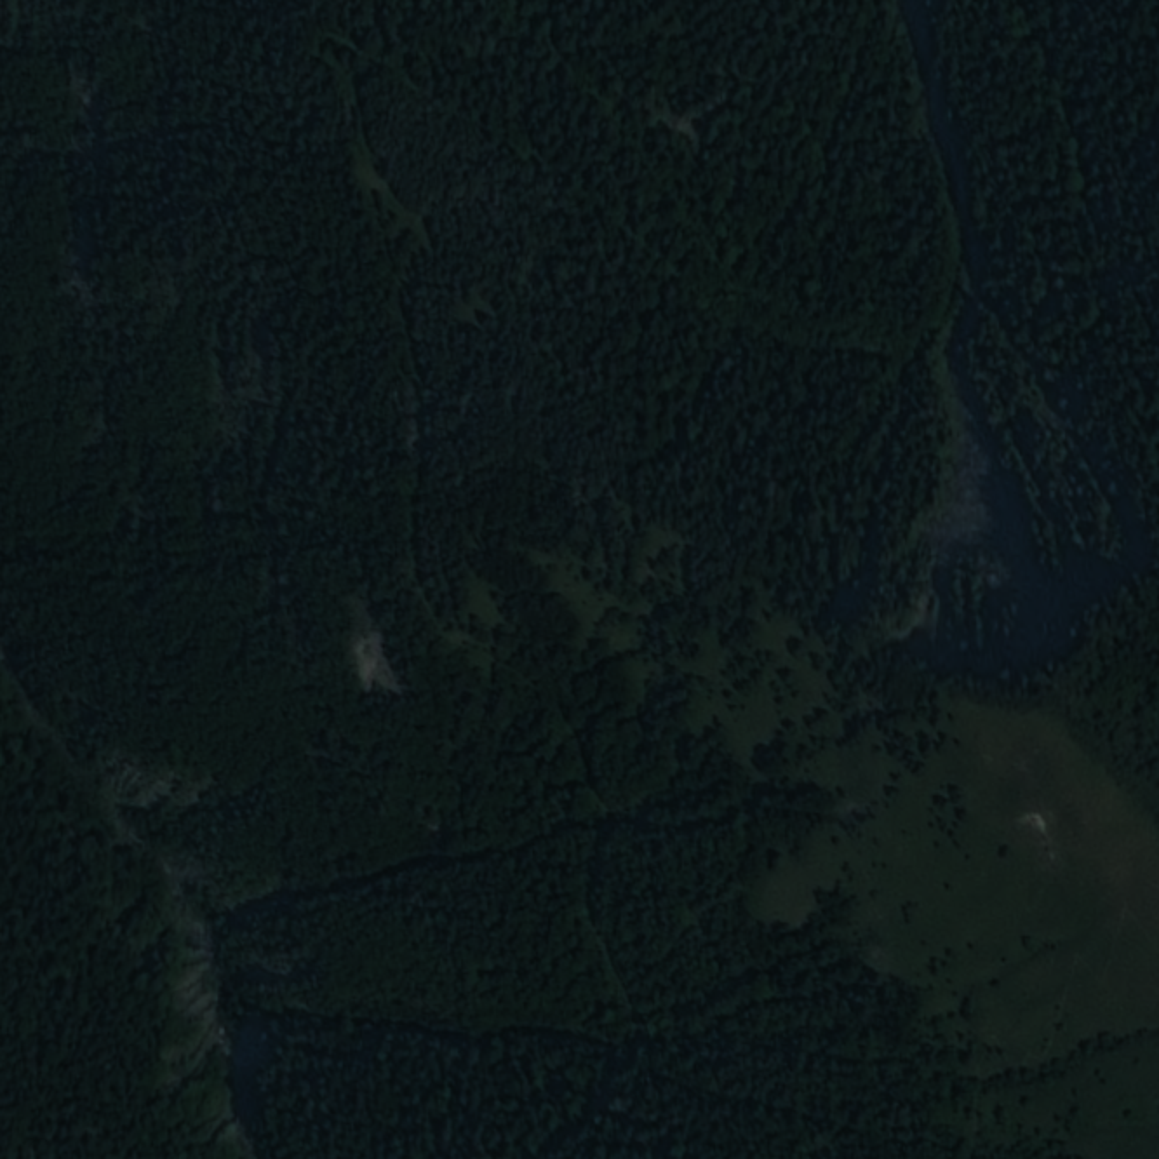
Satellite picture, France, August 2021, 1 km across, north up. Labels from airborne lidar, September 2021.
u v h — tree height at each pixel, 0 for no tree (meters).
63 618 24
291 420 17
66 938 28
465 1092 26
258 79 23
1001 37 15
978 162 27
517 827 25
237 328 19
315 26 19
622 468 22
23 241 24
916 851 0
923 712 10
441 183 28
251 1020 12
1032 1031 0
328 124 22
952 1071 7
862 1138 14
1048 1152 6
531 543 7
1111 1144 0
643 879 22
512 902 25
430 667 18
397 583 21
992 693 7
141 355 15
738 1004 26
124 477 12
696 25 31
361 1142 22
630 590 8
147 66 19
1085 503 16
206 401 13
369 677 0
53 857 18
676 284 15
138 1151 20
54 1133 30
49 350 15
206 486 11
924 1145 15
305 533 9
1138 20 33
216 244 22
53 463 16
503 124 29
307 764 23
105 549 15
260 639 19
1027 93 31
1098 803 0
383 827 24
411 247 12
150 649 19
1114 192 25
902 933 0
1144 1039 7
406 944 16
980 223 22
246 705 22
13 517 18
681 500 19
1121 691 13
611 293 32
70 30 13
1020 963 0
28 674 29
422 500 12
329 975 16
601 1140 20
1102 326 15
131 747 25
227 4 22
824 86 32
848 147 26
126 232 21
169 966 23
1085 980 0
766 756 16
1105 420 22
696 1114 24
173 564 24
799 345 8
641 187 29
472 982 26
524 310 16
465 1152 17
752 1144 18
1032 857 0
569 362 26
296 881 24
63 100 15
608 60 26
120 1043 29
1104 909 0
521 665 8
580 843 23
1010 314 20
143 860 13
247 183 20
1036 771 0
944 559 0
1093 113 18
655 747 12
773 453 25
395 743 16
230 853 16
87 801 16
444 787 27
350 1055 19
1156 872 0
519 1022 22
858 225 17
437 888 20
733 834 21
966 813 7
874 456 19
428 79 28
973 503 0
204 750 21
